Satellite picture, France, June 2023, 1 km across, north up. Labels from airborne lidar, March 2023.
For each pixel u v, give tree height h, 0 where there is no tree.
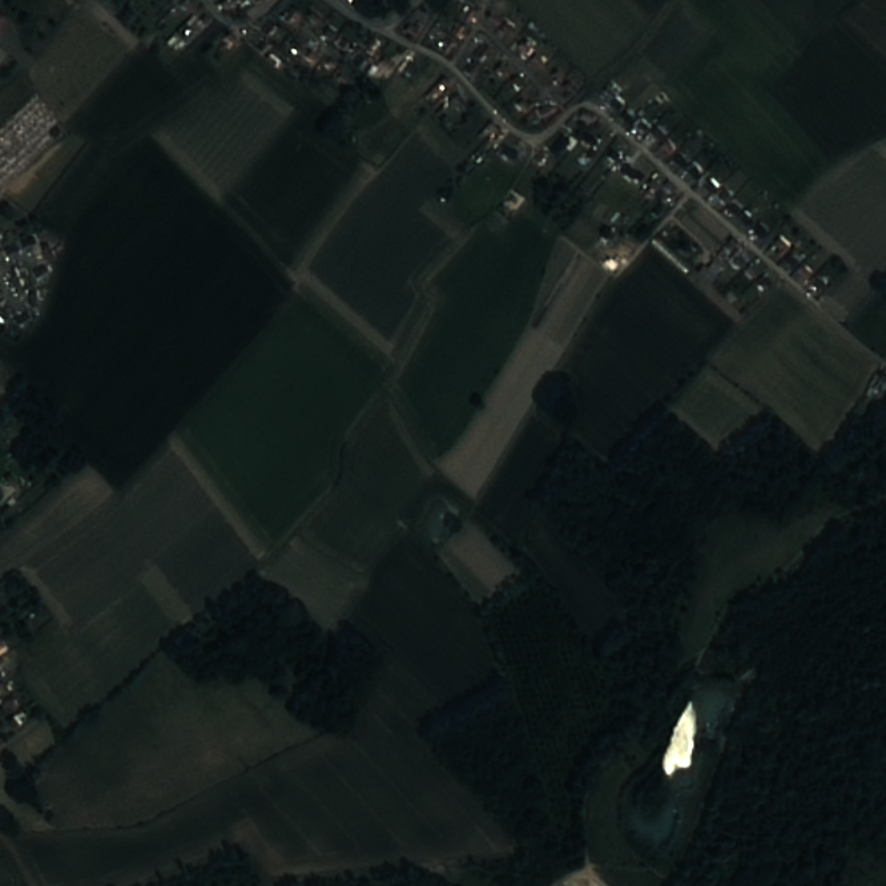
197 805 0
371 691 0
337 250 0
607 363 0
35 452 12
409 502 0
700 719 0
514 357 0
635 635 12
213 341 0
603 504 27
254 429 0
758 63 0
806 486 24
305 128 0
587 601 0
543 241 0
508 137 0
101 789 0
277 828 0
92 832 0
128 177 0
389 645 0
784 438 21
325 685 20
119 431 0
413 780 0
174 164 0
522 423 0
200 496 0
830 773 21
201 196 0
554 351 0
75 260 0
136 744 0
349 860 0
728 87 0
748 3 0
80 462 17
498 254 0
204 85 0
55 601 0
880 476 24
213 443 0
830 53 0
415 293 0
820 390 0
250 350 0
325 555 0
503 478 0
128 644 0
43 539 0
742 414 0
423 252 0
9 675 0
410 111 0
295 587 0
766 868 25
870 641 10
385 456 0
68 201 0
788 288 0
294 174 0
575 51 0
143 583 0
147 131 0
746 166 0
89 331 0
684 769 0
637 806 9
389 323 0
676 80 0
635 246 0
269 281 0
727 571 0
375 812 0
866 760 19
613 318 0
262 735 0
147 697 0
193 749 0
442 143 0
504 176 0
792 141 0
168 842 0
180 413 0
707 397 0
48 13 0
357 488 0
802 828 22
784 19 0
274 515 0
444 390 0
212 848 0
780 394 0
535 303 0
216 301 0
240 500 0
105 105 0
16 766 25
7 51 0
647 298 0
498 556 0
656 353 0
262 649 28
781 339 0
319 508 0
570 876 0
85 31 0
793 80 0
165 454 0
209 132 0
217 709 0
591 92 0
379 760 0
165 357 0
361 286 0
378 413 0
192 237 0
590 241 0
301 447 0
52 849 0
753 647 22
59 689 0
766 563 0
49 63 0
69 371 0
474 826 0
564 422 24
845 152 0
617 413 0
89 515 0
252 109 0
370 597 0
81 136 0
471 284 0
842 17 0
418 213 0
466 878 0
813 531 0
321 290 0
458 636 0
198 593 0
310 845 0
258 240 0
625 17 0
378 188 0
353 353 0
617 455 20
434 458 0
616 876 0
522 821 20
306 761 0
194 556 0
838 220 0
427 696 0
